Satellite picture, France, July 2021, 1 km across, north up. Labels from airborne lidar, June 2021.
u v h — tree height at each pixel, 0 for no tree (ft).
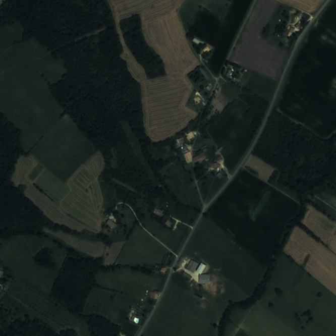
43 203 0
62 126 0
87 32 48
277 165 20
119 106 68
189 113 0
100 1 106
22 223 79
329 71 0
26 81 0
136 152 0
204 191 0
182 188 0
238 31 0
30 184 0
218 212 0
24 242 0
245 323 0
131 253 0
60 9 78
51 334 56
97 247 0
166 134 0
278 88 0
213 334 0
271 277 46
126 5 0
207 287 0
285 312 0
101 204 0
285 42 0
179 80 0
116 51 72
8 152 65
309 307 0
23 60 0
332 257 0
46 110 0
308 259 0
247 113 28
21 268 0
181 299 0
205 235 0
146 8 0
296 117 0
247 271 0
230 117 0
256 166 0
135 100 73
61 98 71
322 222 0
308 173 36
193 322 0
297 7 0
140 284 0
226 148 0
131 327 0
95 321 73
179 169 0
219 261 0
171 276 0
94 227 0
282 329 0
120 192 37
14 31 0
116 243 0
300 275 0
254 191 0
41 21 64
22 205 79
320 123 0
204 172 34
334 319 0
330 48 0
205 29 0
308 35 0
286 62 0
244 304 86
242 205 0
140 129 71
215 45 0
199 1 0
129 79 64
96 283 33
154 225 0
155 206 22
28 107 0
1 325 59
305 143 30
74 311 63
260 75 0
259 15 0
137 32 39
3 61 0
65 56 67
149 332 0
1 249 0
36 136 0
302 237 0
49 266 23
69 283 58
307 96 0
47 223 72
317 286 0
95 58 31
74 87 75
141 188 25
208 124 46
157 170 55
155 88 0
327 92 0
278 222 0
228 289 0
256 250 0
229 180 0
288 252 0
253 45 0
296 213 0
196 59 0
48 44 64
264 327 0
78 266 62
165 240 0
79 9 45
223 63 0
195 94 0
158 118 0
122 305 0
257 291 73
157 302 0
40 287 0
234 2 0
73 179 0
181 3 0
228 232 0
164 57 0
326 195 0
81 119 89
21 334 57
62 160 0
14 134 66
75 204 0
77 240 0
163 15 0
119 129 57
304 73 0
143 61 50
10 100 0
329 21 0
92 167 0
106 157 55
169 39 0
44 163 0
